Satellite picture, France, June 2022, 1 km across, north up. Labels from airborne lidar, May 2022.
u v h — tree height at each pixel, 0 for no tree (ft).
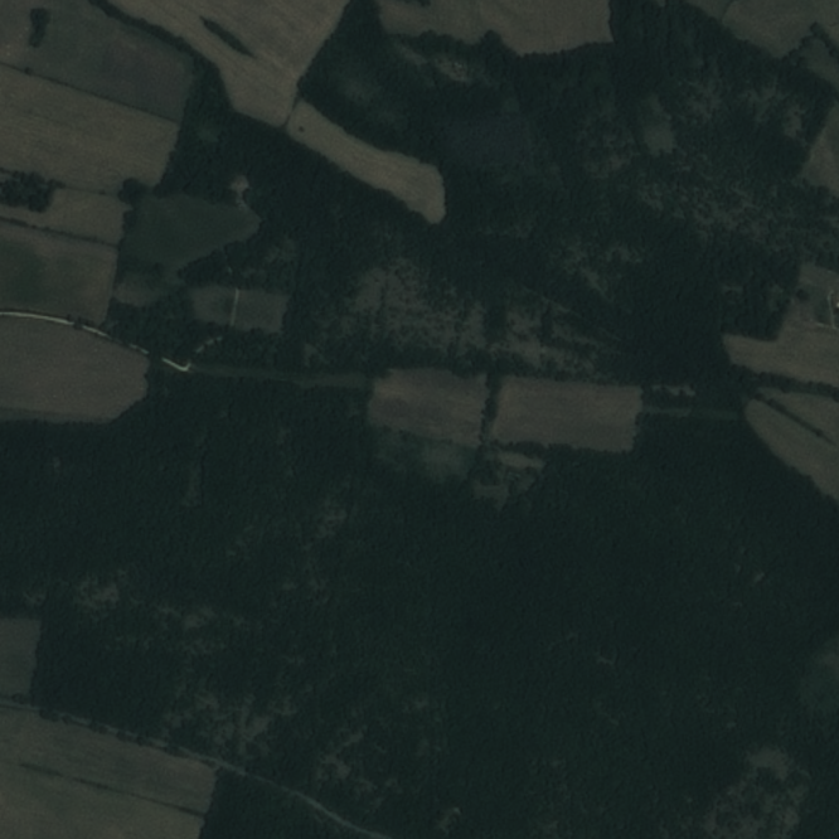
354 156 0
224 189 47
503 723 31
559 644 28
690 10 47
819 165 0
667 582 43
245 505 38
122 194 30
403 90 23
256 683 37
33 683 33
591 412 0
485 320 27
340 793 30
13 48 0
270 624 35
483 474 31
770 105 22
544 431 0
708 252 30
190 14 0
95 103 0
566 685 35
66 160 0
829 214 26
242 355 17
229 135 30
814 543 45
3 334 0
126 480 36
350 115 34
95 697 42
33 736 0
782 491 44
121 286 0
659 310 38
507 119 58
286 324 42
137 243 0
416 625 18
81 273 0
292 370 36
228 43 39
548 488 37
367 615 20
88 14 0
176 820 0
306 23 0
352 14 36
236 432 41
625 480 24
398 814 31
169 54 0
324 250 46
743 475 28
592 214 27
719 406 29
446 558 27
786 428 0
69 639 37
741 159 26
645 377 35
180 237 0
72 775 0
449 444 21
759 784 26
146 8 0
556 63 60
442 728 22
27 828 0
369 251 23
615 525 40
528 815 33
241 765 22
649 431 35
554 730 33
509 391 0
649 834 28
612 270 22
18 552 34
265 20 0
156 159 0
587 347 21
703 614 37
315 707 33
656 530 36
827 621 41
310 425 49
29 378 0
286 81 0
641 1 45
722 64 34
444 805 29
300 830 28
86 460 31
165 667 36
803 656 32
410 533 32
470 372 26
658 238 34
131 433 45
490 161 59
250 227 0
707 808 28
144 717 39
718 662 36
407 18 0
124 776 0
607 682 32
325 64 33
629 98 52
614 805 24
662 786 35
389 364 34
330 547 27
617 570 46
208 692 27
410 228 47
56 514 35
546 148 21
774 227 30
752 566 33
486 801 36
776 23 0
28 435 36
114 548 42
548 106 35
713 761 42
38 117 0
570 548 47
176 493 40
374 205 19
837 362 0
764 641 37
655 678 36
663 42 29
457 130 64
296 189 56
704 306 36
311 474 46
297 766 34
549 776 31
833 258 33
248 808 31
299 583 23
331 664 25
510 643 37
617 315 30
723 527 30
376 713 18
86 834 0
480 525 45
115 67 0
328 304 30
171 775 0
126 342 33
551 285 42
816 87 38
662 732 38
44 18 49
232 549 19
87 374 0
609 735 41
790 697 28
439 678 27
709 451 39
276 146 45
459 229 30
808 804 23
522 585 57
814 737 27
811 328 0
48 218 0
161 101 0
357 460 46
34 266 0
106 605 27
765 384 21
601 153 34
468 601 27
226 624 17
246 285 28
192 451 47
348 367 32
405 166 0
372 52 26
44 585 32
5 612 28
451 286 21
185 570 26
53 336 0
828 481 0
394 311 22
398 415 0
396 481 39
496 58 42
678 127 41
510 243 41
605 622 38
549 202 25
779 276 40
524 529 53
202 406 50
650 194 20
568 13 0
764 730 33
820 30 40
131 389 0
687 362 49
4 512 38
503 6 0
